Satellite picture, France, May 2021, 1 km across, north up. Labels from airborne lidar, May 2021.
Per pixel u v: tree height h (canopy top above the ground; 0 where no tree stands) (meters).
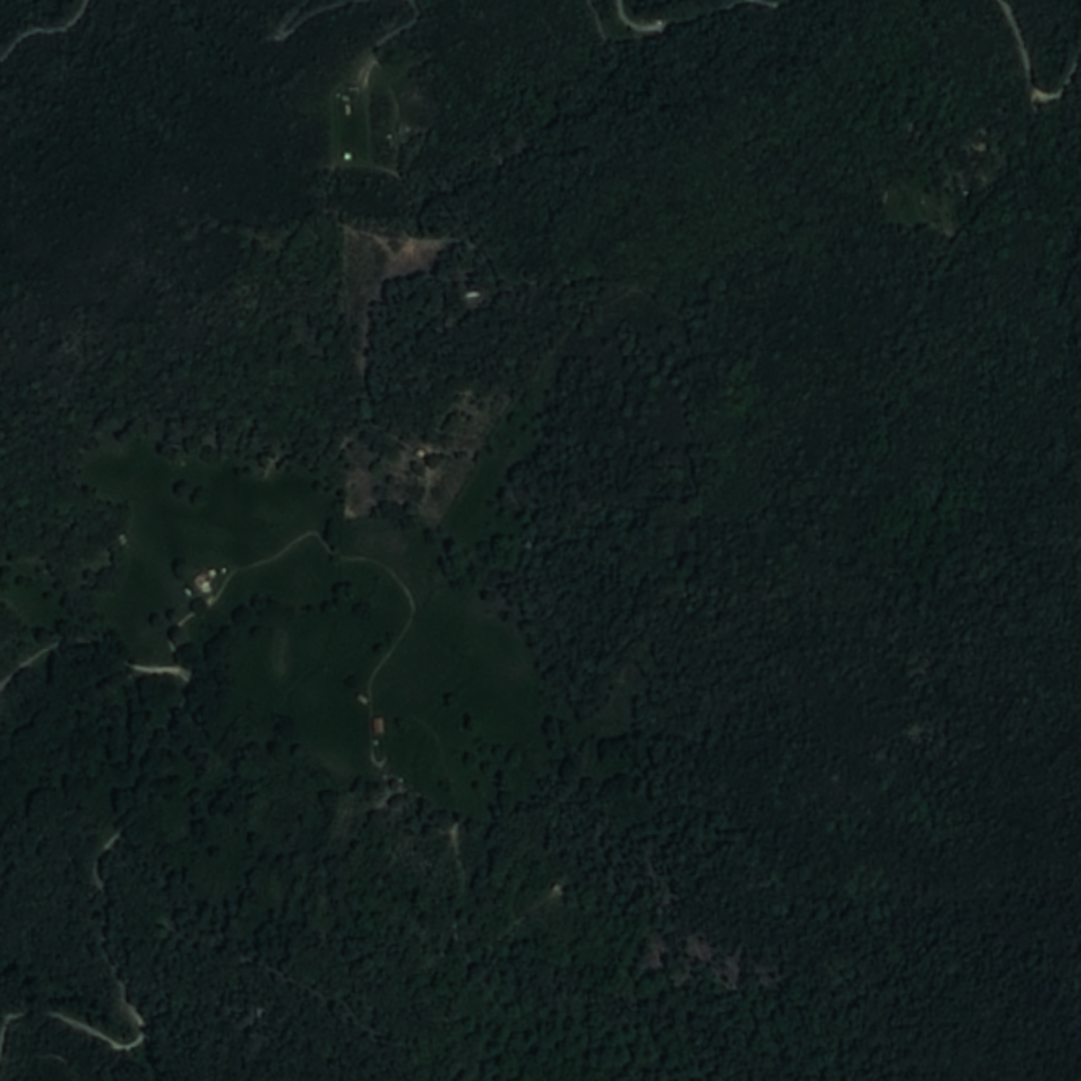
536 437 11
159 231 8
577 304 11
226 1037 18
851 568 13
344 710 0
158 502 0
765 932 12
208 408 12
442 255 11
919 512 17
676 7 18
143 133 6
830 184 13
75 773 18
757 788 9
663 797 14
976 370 11
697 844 18
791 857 6
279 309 7
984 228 12
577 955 6
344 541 0
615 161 12
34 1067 6
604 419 11
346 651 0
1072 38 6
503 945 10
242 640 0
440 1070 7
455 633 0
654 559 16
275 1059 6
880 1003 18
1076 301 13
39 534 13
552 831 14
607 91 10
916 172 13
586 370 8
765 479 8
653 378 12
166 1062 22
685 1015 8
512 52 7
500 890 7
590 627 12
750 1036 7
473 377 12
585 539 7
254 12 6
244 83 6
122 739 13
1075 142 7
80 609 15
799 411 9
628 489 15
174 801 15
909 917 12
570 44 12
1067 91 9
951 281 10
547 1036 10
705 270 14
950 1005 12
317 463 10
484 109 10
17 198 6
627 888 15
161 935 14
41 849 11
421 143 10
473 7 5
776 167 11
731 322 8
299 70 8
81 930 14
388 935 9
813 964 9
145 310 5
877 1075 13
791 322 9
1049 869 6
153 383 16
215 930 9
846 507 7
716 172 14
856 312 8
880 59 15
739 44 10
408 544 0
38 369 6
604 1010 10
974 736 9
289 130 7
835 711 6
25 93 6
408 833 7
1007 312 8
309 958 18
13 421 12
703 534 11
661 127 16
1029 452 10
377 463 7
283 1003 15
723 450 13
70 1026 10
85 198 6
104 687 19
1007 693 5
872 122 14
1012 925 9
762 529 11
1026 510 14
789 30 9
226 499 0
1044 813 6
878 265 8
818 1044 15
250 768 15
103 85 10
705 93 12
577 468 6
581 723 11
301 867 11
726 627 10
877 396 10
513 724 0
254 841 15
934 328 10
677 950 13
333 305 10
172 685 18
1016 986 11
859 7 8
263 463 13
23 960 23
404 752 0
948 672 10
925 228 12
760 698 7
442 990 13
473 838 7
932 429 7
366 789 9
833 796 6
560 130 14
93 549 17
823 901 17
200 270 8
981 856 8
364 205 6
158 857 17
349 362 15
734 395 10
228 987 11
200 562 0
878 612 12
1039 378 15
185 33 7
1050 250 11
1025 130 9
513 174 15
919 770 8
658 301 13
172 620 12
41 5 15
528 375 14
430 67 12
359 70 0
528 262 6
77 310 9
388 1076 14
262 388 13
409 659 0
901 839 9
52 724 20
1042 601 14
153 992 14
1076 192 10
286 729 15
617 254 11
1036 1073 16
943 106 11
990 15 12
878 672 6
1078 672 10
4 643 14
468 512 0
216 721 23
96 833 13
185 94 10
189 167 5
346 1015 14
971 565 8
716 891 12
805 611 6
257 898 15
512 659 0
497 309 12
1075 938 9
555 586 9
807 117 14
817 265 15
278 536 0
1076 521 10
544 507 10
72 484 14
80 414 14
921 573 18
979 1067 16
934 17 11
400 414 13
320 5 6
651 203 12
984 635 8
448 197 17
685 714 9
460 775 0
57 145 6
